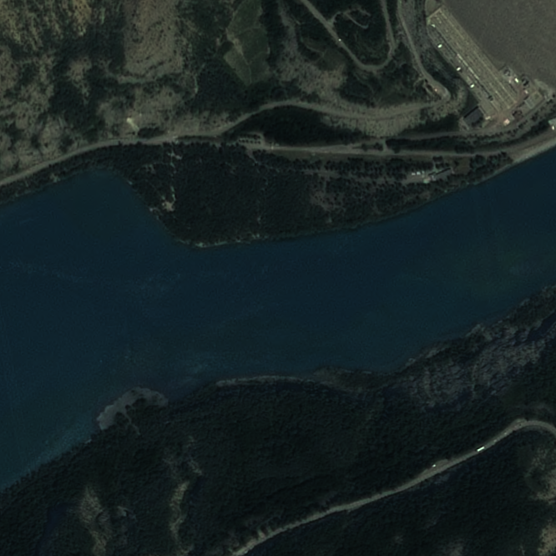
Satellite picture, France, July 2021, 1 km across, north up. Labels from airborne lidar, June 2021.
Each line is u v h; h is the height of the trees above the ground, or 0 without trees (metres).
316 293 0
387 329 0
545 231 0
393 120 0
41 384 0
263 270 0
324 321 0
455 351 10
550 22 0
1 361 0
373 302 0
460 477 12
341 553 11
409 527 12
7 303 0
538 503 9
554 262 0
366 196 8
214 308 0
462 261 0
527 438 7
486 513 17
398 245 0
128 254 0
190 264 0
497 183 0
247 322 0
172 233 8
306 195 8
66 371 0
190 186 11
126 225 0
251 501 10
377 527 11
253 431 13
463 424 8
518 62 0
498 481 11
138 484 9
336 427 11
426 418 11
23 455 0
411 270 0
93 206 0
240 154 17
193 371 0
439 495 9
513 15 0
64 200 0
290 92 9
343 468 10
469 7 0
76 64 0
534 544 6
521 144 0
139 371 0
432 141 9
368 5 10
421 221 0
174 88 6
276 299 0
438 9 0
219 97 8
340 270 0
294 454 13
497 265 0
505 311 0
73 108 11
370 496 11
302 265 0
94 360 0
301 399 12
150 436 10
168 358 0
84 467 12
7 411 0
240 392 7
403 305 0
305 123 8
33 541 8
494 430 14
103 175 0
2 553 12
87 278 0
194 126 0
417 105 0
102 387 0
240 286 0
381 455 19
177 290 0
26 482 11
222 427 11
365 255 0
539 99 0
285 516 9
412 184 9
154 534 8
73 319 0
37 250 0
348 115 0
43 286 0
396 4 16
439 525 11
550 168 0
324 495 10
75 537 11
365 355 0
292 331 0
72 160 8
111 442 13
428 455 19
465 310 0
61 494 9
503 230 0
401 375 11
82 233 0
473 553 9
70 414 0
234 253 0
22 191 7
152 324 0
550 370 8
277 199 9
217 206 12
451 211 0
